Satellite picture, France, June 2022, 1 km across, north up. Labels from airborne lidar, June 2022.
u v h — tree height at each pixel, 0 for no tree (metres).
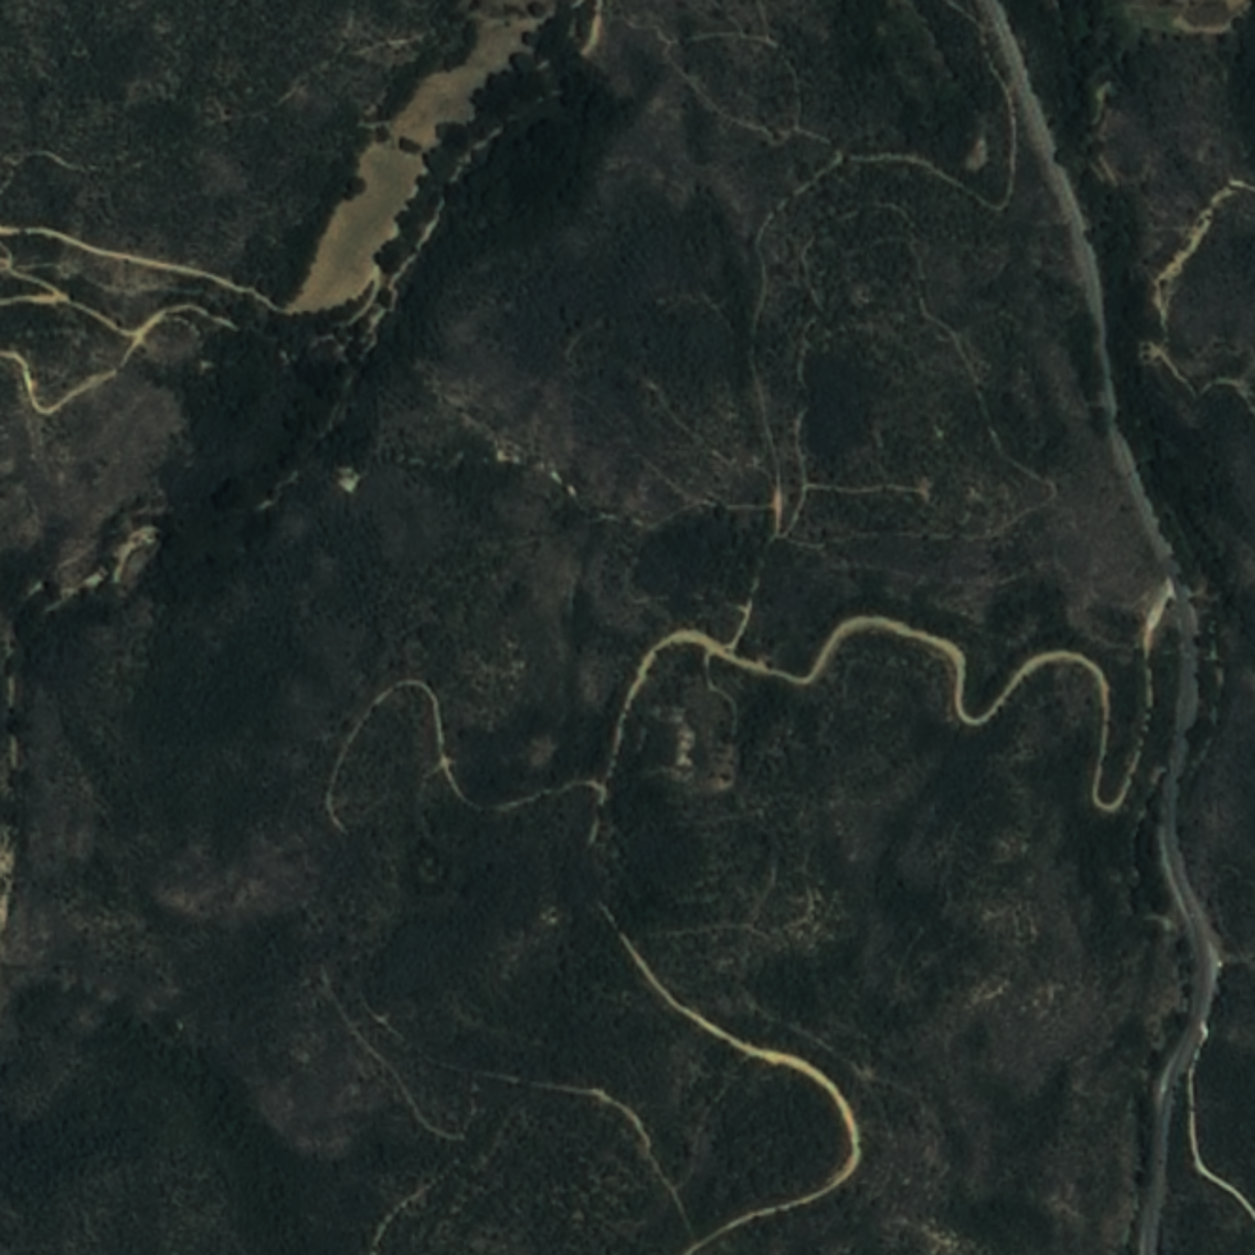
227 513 18
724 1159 7
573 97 17
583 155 11
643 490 0
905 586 0
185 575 13
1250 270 7
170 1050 9
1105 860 10
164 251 7
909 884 8
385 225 0
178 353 0
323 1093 0
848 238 6
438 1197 6
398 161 0
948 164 6
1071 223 0
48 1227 7
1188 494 7
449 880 7
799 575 6
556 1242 8
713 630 8
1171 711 7
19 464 0
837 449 6
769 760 6
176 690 6
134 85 0
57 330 7
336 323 12
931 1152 0
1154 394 8
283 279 11
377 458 7
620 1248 11
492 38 0
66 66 12
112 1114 6
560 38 17
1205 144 0
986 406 9
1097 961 6
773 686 7
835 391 7
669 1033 6
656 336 7
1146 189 7
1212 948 0
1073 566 0
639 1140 6
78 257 0
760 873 8
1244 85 7
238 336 9
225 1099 11
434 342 6
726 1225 0
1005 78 6
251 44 6
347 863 7
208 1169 6
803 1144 6
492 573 8
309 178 10
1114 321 10
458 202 10
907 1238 7
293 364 7
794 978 6
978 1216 8
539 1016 7
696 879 8
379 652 6
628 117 7
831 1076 8
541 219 12
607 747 7
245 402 14
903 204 7
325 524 7
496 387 0
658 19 0
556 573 0
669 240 6
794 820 6
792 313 7
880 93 7
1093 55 15
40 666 8
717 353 9
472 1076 6
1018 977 6
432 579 6
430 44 9
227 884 0
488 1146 8
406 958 9
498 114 18
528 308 7
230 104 7
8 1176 7
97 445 0
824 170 6
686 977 5
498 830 6
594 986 8
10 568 9
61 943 0
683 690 6
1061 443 8
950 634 7
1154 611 0
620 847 8
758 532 7
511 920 8
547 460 0
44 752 0
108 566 8
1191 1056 0
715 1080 7
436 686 11
